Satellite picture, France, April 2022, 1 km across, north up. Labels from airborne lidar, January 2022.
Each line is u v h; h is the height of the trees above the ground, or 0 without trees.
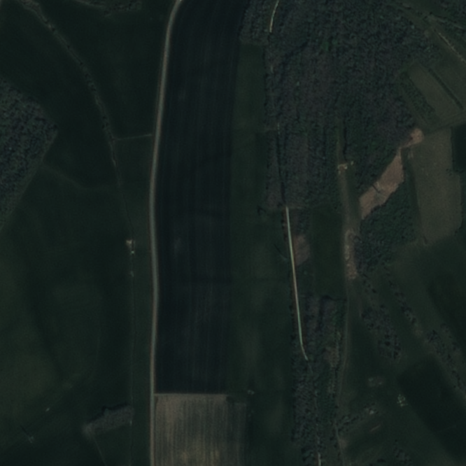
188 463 0
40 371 0
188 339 0
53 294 0
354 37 18
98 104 0
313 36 11
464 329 0
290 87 28
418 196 0
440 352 15
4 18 0
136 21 0
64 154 0
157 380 0
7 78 0
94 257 0
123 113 0
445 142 0
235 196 0
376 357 0
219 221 0
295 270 0
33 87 0
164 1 0
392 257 7
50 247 0
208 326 0
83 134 0
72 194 0
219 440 0
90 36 0
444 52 0
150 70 0
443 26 6
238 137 0
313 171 27
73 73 0
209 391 0
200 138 0
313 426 21
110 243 0
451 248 0
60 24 0
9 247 0
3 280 0
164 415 0
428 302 0
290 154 27
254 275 0
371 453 0
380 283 0
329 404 7
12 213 11
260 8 16
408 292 0
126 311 0
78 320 0
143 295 0
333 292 0
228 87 0
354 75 23
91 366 0
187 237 0
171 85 0
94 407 0
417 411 0
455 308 0
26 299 0
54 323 0
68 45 0
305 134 23
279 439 0
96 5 6
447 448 0
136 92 0
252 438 0
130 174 0
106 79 0
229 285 0
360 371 0
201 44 0
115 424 21
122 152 0
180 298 0
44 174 0
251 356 0
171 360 0
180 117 0
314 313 23
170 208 0
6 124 22
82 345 0
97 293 0
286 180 18
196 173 0
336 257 0
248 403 0
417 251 0
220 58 0
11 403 0
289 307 0
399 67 27
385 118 7
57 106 0
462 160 0
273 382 0
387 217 7
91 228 0
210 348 0
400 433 0
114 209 0
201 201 0
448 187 0
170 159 0
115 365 0
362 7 27
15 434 0
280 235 0
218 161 0
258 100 0
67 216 0
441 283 0
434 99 0
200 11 0
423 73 0
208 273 0
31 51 0
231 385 0
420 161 0
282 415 0
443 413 0
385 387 0
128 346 0
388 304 0
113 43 0
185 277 0
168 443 0
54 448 0
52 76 0
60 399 0
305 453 13
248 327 0
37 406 0
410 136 25
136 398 0
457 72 0
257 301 0
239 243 0
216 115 0
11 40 0
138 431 0
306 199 20
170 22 0
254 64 0
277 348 0
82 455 0
